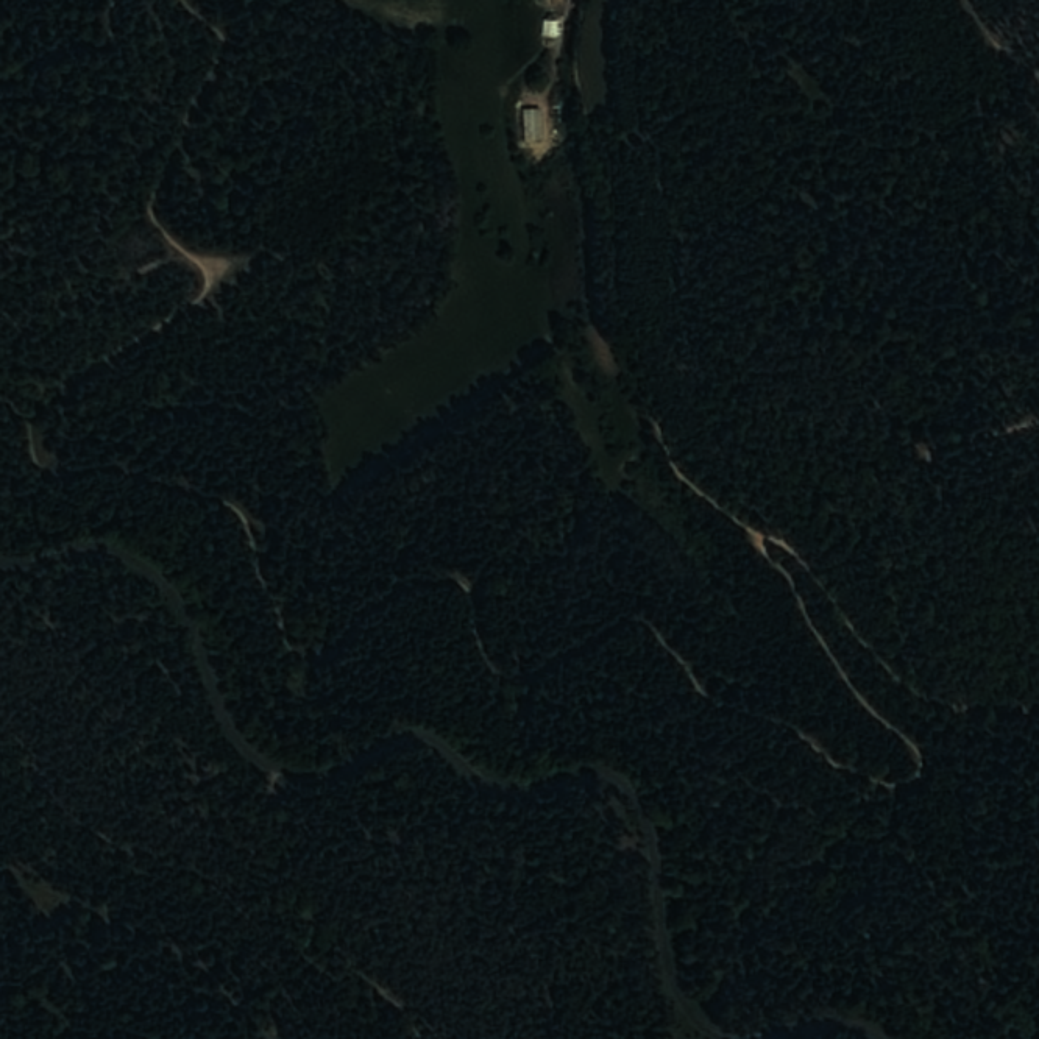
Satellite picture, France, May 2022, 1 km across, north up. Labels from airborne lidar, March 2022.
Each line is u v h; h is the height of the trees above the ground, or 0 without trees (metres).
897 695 21
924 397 10
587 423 0
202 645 0
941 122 14
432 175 35
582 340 5
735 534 26
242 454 25
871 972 11
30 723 22
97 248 25
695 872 30
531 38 0
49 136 19
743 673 21
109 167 29
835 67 20
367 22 21
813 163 18
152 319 11
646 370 14
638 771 11
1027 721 36
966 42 12
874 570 27
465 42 24
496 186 0
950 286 36
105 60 24
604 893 17
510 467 32
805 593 17
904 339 33
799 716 18
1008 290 33
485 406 30
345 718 27
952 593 21
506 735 21
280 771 0
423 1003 24
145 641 17
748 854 22
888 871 27
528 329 0
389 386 0
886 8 11
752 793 20
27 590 7
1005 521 21
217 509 13
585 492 38
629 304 20
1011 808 29
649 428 21
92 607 21
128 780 15
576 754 24
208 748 16
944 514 25
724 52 25
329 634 23
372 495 33
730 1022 37
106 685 26
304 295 23
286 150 14
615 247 17
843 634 19
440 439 34
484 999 24
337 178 16
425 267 30
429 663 21
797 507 20
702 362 24
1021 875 29
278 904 28
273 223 14
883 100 24
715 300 21
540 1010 10
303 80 30
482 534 30
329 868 23
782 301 15
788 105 19
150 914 28
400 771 20
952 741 27
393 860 24
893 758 29
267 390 27
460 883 15
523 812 28
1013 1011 29
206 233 29
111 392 26
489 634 31
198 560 22
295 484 27
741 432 20
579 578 29
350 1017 25
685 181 18
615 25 22
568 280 0
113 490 22
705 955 39
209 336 13
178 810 29
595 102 0
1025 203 8
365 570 30
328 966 9
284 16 35
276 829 25
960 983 39
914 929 35
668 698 28
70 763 26
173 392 27
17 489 32
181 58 19
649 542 32
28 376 27
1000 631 19
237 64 32
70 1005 36
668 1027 18
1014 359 36
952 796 17
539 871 20
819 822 5
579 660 24
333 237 18
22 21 15
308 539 31
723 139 21
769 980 35
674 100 19
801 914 25
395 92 27
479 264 0
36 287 24
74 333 26
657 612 32
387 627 30
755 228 28
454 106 0
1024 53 22
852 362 24
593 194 22
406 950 24
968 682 23
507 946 21
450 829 7
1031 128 34
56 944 33
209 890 24
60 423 33
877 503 27
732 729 30
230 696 16
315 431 21
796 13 27
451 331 0
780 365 26
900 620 6
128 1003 30
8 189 21
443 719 23
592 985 10
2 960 27
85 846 21
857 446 23
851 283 15
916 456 20
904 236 33
